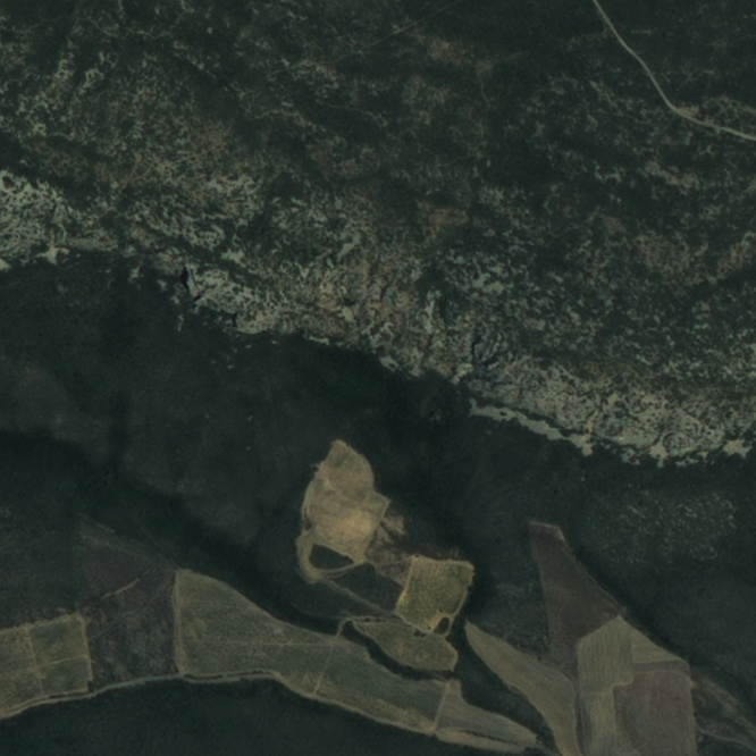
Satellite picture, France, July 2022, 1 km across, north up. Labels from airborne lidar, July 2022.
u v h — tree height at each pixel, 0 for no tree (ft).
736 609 0
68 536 0
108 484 33
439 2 0
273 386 0
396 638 0
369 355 29
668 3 0
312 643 0
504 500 0
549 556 0
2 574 0
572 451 23
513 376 0
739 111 0
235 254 0
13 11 0
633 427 0
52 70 0
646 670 0
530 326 0
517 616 0
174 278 20
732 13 0
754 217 0
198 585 0
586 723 0
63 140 0
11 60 0
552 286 0
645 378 0
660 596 19
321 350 20
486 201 0
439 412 29
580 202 0
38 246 19
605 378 0
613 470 19
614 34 0
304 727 0
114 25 0
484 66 0
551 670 0
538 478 0
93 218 0
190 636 0
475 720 0
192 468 0
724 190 0
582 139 0
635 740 0
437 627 0
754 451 23
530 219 0
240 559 22
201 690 18
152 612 0
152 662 0
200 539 18
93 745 21
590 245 0
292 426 0
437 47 0
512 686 0
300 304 25
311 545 0
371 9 0
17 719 26
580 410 0
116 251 18
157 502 23
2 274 30
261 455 0
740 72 0
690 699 0
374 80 0
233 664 0
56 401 0
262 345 0
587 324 0
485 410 0
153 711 26
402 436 18
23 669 0
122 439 21
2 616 0
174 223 0
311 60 0
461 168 0
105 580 0
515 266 0
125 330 21
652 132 0
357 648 0
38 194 0
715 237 0
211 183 0
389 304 0
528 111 0
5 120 0
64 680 0
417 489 18
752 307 0
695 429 0
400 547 0
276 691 21
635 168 0
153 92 0
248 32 0
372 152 0
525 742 0
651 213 0
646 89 0
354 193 0
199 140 0
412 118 0
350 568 0
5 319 18
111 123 0
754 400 0
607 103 0
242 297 0
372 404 20
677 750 0
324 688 0
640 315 0
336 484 0
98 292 19
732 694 0
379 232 0
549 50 0
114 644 0
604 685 0
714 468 18
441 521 24
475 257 0
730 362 0
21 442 25
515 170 0
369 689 0
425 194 0
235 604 0
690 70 0
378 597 0
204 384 0
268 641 0
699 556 0
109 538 0
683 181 0
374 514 0
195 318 19
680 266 0
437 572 0
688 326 0
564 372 0
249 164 0
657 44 0
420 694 0
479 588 19
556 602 0
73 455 22
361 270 0
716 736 0
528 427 0
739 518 23
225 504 0
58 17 0
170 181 0
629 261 0
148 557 0
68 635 0
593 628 0
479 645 0
